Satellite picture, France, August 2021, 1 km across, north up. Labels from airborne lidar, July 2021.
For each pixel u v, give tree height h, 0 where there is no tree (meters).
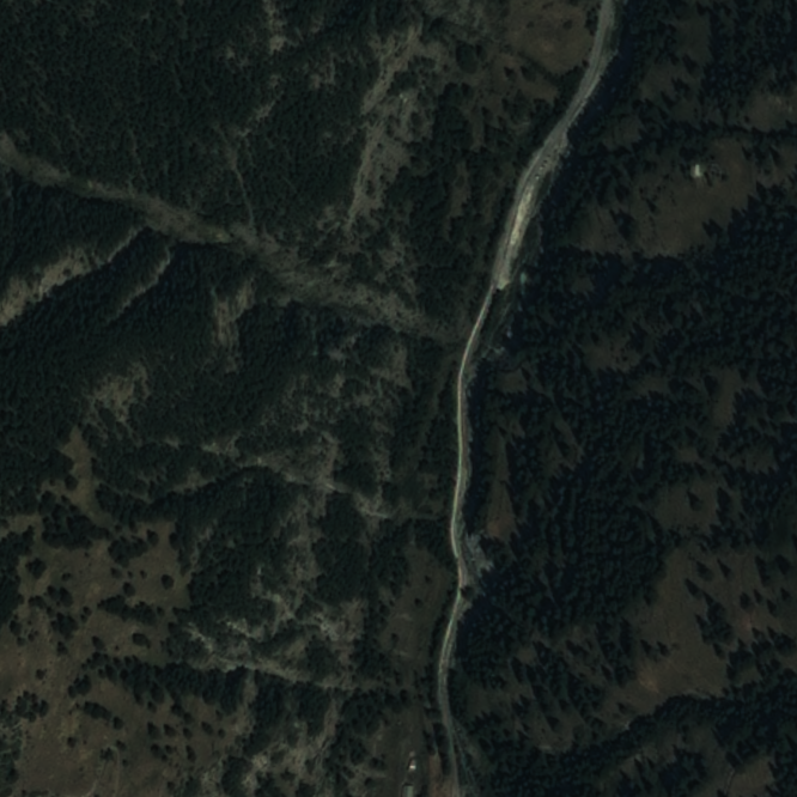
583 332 26
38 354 21
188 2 18
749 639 0
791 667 0
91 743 0
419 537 12
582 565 28
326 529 19
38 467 22
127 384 0
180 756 0
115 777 0
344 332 10
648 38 25
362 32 15
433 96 15
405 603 0
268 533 20
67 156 15
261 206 13
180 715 19
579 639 0
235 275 16
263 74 13
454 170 16
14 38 14
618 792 0
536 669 0
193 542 10
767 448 24
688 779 24
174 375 10
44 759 0
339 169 18
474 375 0
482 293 16
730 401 0
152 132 14
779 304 16
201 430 18
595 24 15
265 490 17
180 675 23
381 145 12
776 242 25
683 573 0
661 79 0
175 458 19
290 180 12
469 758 8
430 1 0
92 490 0
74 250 10
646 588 25
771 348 26
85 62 15
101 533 12
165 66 18
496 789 13
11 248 18
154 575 0
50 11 19
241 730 0
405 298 12
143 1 21
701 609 0
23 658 0
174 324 17
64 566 0
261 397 17
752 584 0
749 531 0
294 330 15
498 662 16
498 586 21
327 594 11
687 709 32
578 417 23
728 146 0
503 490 0
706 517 0
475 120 0
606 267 9
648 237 0
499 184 0
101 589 0
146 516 18
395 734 0
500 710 0
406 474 0
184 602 0
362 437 15
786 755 13
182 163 16
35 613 0
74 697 12
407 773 0
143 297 13
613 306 25
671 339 6
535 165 0
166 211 0
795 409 16
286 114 17
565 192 22
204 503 11
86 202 9
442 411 13
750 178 0
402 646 0
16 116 16
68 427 18
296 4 16
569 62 0
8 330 14
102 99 19
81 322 21
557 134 0
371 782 12
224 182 8
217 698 17
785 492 30
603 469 28
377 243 15
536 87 0
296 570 6
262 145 16
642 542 30
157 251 13
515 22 0
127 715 0
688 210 0
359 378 7
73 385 18
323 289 0
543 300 15
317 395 9
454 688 16
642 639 0
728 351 23
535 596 20
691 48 0
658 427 25
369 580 19
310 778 0
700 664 0
